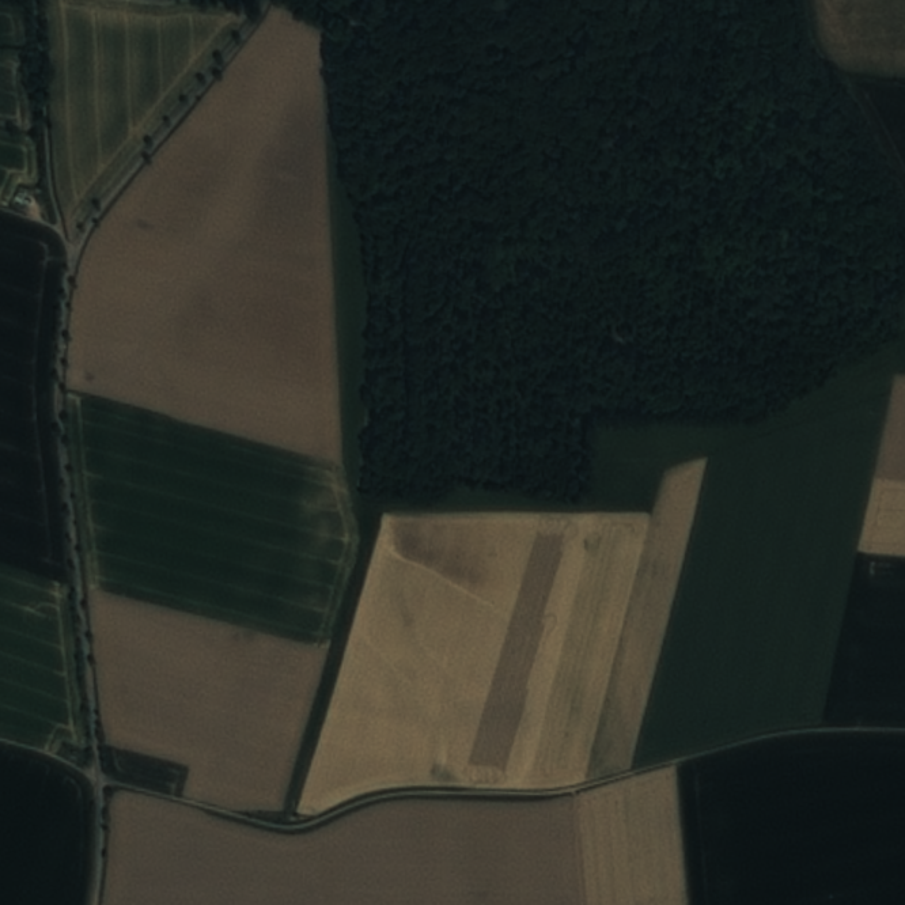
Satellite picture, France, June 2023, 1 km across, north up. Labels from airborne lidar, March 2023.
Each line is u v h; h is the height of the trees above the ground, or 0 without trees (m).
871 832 0
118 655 0
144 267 0
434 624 0
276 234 0
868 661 0
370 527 0
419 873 0
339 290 0
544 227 25
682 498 0
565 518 0
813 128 34
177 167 0
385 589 0
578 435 9
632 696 0
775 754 0
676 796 0
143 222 0
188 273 0
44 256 0
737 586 0
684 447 0
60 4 0
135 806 0
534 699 0
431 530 0
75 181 0
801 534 0
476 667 0
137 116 0
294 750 0
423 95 21
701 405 24
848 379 0
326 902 0
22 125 0
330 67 21
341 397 0
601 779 0
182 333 0
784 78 35
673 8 38
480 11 33
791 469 0
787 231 23
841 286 27
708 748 0
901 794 0
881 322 16
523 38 32
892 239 30
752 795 0
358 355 0
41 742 0
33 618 0
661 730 0
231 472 0
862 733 0
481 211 30
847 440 0
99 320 0
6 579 0
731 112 22
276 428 0
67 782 0
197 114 0
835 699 0
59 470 0
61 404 0
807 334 16
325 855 0
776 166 11
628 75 28
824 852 0
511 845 0
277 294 0
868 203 30
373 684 0
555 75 29
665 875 0
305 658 0
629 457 0
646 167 21
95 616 0
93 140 0
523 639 0
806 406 0
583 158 27
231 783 0
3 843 0
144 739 0
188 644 0
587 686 0
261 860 0
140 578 0
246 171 0
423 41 34
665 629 0
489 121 31
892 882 0
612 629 0
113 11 0
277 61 0
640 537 0
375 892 0
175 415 0
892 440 0
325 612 0
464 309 8
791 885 0
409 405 34
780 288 27
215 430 0
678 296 11
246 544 0
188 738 0
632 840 0
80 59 0
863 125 32
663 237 22
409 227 21
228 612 0
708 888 0
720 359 22
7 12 0
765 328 18
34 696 0
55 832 0
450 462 23
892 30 0
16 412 0
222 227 0
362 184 28
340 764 0
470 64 24
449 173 20
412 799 0
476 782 0
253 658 0
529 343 12
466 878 0
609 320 8
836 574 0
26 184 0
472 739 0
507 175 27
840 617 0
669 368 18
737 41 24
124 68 0
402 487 23
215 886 0
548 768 0
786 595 0
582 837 0
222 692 0
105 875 0
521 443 22
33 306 0
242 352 0
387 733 0
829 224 30
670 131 38
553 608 0
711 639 0
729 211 24
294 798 0
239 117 0
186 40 0
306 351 0
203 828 0
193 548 0
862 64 0
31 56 8
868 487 0
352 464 0
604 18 31
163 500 0
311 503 0
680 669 0
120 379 0
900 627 0
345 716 0
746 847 0
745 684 0
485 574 0
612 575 0
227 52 0
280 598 0
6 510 0
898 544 0
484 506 0
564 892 0
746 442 0
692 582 0
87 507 0
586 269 21
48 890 0
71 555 0
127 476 0
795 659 0
